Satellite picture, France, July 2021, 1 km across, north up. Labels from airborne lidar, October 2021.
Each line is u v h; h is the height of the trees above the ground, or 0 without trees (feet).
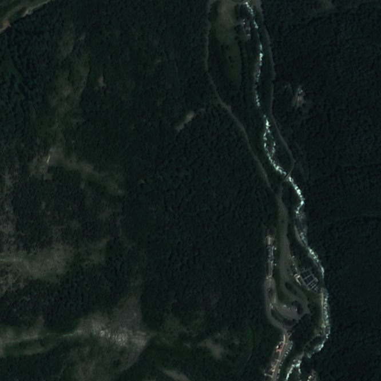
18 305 101
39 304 50
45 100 59
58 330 20
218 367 58
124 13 96
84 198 61
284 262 0
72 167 0
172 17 55
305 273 0
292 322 35
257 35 83
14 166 48
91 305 84
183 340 42
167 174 90
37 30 54
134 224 70
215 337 27
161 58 32
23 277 22
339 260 81
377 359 74
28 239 57
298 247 57
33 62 41
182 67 51
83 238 39
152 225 92
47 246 42
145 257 34
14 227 36
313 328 96
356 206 38
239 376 21
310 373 27
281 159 49
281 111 38
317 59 87
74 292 35
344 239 127
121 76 63
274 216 49
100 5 105
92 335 50
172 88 26
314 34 61
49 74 81
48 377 79
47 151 56
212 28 24
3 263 0
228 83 21
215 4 26
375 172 82
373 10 42
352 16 37
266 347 31
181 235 81
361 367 75
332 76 89
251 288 108
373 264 81
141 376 52
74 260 18
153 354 23
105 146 72
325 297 0
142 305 25
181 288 98
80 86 32
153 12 66
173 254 38
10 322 66
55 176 74
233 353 24
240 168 83
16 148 33
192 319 52
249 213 107
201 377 30
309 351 37
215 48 34
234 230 100
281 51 32
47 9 51
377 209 31
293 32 94
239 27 54
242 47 59
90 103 118
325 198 38
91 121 110
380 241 73
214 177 103
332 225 26
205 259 109
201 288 63
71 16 48
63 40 30
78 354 21
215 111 113
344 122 111
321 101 64
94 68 69
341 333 74
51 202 68
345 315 23
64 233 48
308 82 27
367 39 52
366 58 75
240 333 23
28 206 69
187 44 60
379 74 55
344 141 76
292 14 35
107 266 20
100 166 23
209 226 49
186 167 35
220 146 94
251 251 111
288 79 43
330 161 47
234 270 119
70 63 30
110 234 62
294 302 34
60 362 61
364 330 74
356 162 28
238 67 0
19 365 60
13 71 0
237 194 47
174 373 0
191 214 23
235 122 59
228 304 83
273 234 45
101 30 83
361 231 112
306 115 52
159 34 59
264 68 77
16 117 65
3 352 0
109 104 113
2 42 77
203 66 48
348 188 118
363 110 83
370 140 95
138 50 56
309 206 48
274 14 52
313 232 36
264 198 79
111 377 26
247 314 120
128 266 73
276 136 20
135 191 33
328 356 104
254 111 55
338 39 58
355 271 108
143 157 89
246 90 83
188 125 92
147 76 71
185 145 29
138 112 102
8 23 0
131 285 39
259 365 63
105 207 35
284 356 0
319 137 56
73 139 52
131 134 101
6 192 21
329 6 0
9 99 74
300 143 66
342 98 95
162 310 43
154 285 74
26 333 0
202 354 35
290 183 25
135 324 0
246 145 80
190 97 95
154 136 88
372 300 93
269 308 0
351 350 99
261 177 36
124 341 0
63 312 94
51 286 59
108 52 91
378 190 91
